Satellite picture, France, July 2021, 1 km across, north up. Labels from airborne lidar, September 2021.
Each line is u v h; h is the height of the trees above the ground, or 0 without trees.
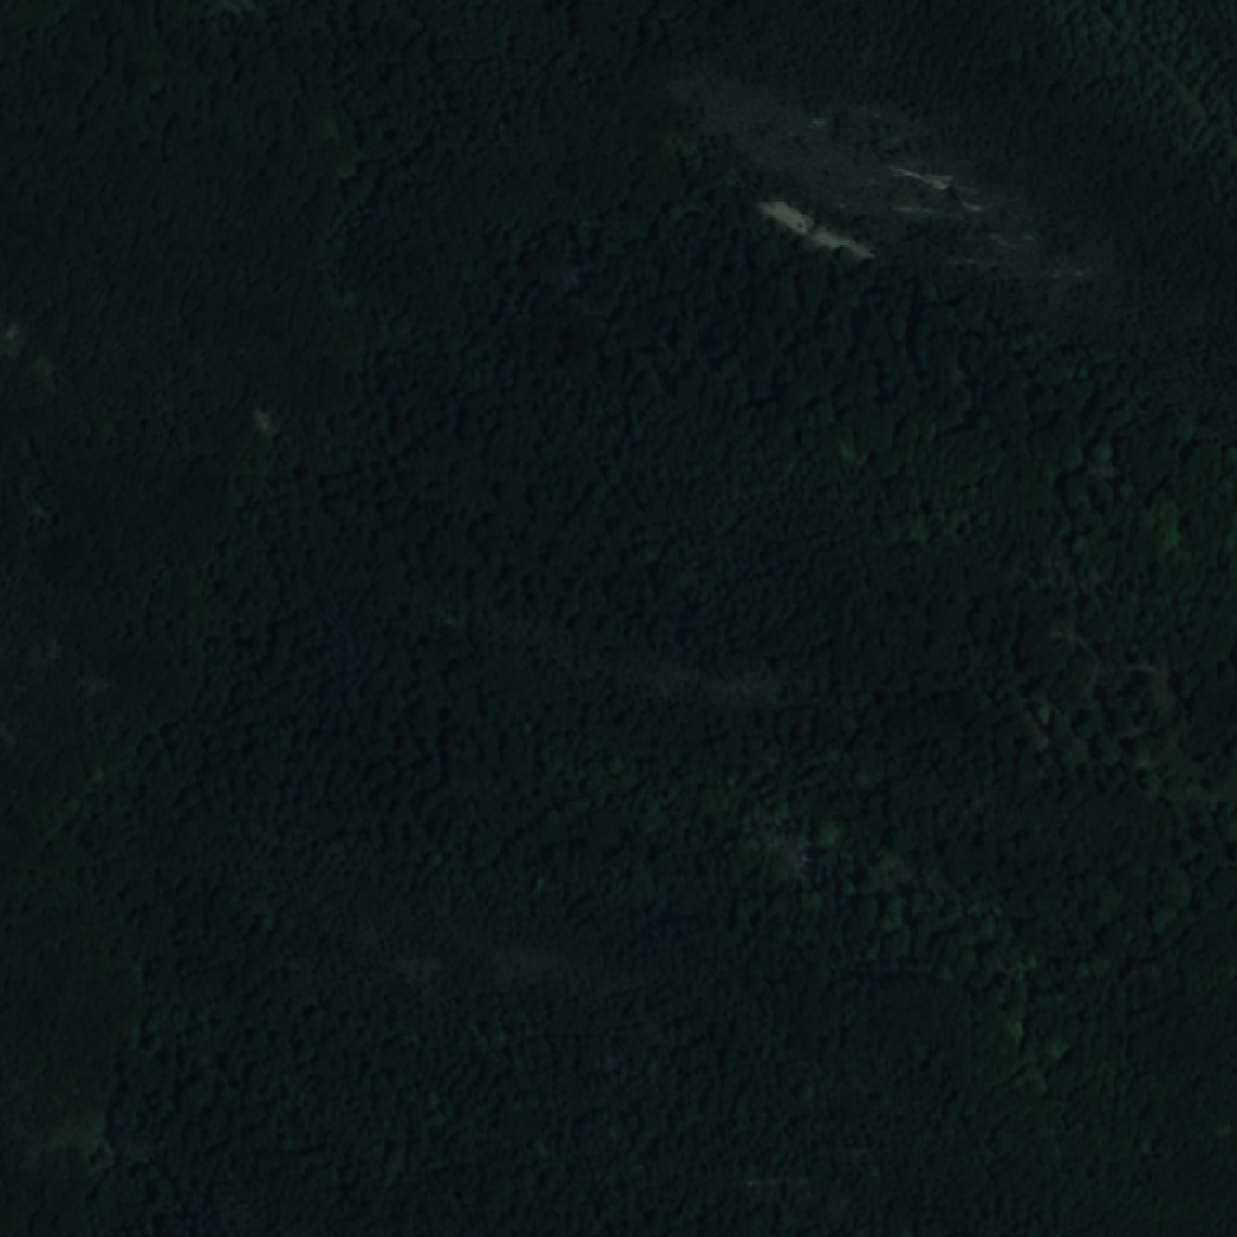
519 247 12
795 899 28
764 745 19
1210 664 29
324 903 5
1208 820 24
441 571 11
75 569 27
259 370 16
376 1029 12
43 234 23
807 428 26
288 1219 14
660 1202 19
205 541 25
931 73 8
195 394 16
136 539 24
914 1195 11
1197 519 30
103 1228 12
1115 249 7
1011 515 32
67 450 23
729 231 32
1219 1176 27
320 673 14
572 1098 10
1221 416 16
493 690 12
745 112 6
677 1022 10
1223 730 8
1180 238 16
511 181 27
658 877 23
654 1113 21
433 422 10
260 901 16
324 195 24
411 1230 13
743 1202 20
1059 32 26
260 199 27
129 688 15
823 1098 11
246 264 23
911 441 32
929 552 29
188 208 22
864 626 24
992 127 8
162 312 16
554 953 6
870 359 23
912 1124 8
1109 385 22
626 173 14
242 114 12
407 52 30
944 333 31
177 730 27
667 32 11
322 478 12
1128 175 12
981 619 24
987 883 6
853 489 12
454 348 12
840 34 13
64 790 17
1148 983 24
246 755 19
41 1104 13
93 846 24
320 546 17
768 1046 6
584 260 28
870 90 6
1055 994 29
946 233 8
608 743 12
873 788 9
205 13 15
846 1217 13
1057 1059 21
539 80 23
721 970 19
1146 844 9
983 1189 7
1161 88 25
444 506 30
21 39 14
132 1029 10
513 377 14
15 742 8
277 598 13
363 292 18
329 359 21
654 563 9
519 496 11
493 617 10
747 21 9
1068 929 12
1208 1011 23
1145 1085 27
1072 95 21
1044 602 37
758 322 32
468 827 11
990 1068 28
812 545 18
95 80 24
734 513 7
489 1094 20
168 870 12
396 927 7
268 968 17
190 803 21
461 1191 19
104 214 17
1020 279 14
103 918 13
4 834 29
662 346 13
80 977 16
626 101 19
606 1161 6
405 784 23
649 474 10
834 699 18
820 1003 16
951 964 21
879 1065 14
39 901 26
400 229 26
